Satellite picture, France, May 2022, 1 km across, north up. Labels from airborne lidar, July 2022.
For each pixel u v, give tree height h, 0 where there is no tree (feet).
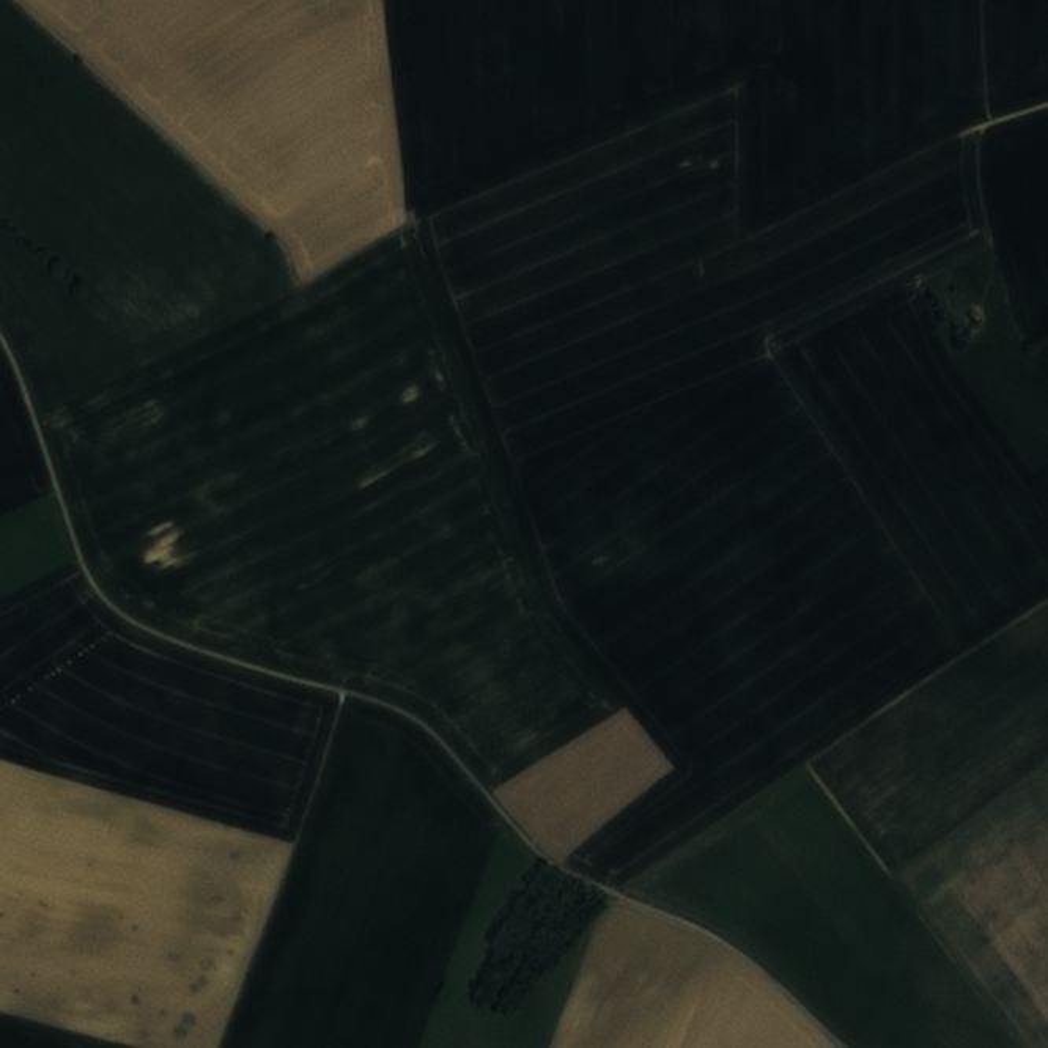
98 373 0
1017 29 0
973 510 0
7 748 0
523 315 0
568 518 0
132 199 0
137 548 0
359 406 0
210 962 0
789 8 0
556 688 0
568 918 22
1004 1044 0
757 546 0
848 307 0
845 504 0
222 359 0
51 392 0
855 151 0
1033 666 0
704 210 0
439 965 0
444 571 0
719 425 0
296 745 0
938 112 0
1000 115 0
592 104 0
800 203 0
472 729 0
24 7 0
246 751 0
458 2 0
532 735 0
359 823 0
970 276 0
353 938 0
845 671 0
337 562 0
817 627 0
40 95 0
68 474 0
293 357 0
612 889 0
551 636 0
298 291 0
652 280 0
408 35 0
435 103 0
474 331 0
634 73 0
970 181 0
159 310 0
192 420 0
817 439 0
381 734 0
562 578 0
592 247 0
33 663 0
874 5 0
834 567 0
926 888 0
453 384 0
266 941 0
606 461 0
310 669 0
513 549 0
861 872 0
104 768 0
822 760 0
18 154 0
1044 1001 0
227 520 0
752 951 0
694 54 0
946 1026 0
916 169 0
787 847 0
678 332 0
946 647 0
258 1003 0
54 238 0
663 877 0
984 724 0
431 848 0
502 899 0
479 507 0
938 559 0
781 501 0
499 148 0
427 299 0
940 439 0
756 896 0
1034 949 0
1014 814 0
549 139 0
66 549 0
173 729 0
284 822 0
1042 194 0
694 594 0
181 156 0
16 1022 0
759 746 0
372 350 0
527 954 70
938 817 0
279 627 0
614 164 0
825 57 0
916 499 0
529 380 0
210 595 0
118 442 0
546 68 0
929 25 0
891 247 0
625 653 0
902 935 0
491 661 0
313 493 0
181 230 0
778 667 0
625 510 0
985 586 0
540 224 0
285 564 0
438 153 0
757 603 0
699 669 0
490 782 0
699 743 0
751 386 0
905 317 0
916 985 0
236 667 0
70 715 0
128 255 0
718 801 0
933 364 0
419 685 0
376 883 0
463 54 0
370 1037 0
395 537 0
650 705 0
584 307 0
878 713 0
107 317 0
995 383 0
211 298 0
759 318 0
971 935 0
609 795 0
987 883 0
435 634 0
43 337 0
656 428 0
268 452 0
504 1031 0
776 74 0
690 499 0
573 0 0
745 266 0
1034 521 0
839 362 0
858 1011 0
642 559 0
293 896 0
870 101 0
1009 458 0
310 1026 0
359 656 0
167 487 0
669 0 0
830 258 0
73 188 0
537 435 0
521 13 0
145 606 0
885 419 0
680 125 0
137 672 0
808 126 0
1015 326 0
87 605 0
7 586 0
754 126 0
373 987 0
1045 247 0
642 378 0
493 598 0
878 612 0
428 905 0
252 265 0
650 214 0
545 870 51
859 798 0
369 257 0
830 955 0
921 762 0
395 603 0
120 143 0
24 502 0
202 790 0
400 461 0
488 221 0
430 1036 0
